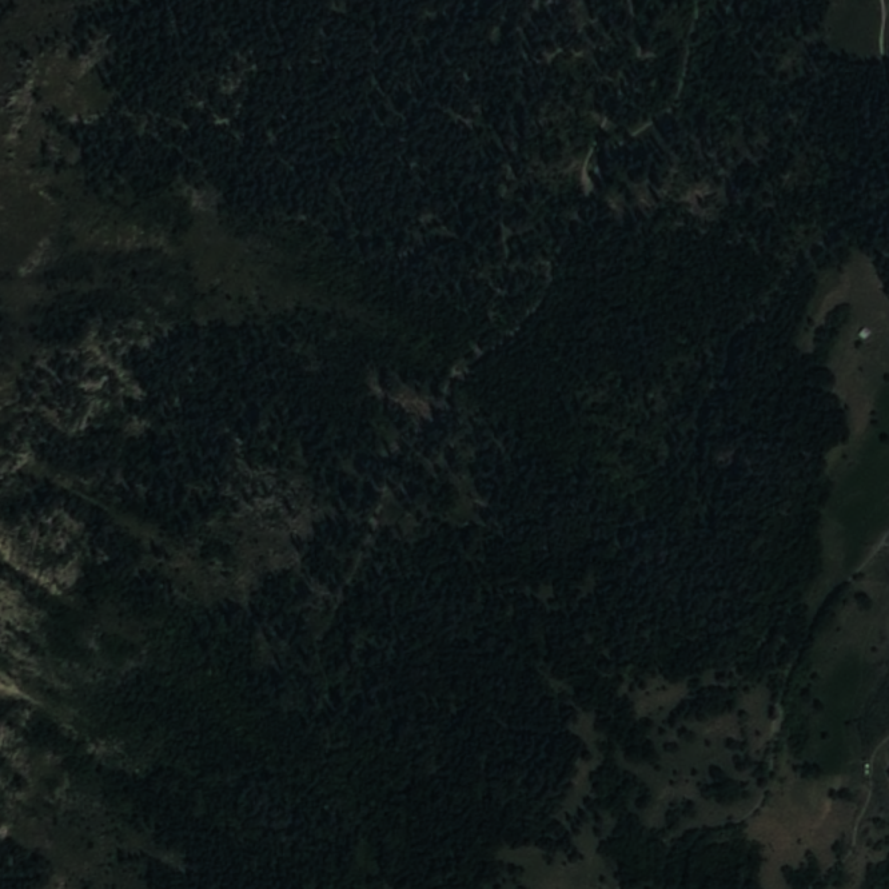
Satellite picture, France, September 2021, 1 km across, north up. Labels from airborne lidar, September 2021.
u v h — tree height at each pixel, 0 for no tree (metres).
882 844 7
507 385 12
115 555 30
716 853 11
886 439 11
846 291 0
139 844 0
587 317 25
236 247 0
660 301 16
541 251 11
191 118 29
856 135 17
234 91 6
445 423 28
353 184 26
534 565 12
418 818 18
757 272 11
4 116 0
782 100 7
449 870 19
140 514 11
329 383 10
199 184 10
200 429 26
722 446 24
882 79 16
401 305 10
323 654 8
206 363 11
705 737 0
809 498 17
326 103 29
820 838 0
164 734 6
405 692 15
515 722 18
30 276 0
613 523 12
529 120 30
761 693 0
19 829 0
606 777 12
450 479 7
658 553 25
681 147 25
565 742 16
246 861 14
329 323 11
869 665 0
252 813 21
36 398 10
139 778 11
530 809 22
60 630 6
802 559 22
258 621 23
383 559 9
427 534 11
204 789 10
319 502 11
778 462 29
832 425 15
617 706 12
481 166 26
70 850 0
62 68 0
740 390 22
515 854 0
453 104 28
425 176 25
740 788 11
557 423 14
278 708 8
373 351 10
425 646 14
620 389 10
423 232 27
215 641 10
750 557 17
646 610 21
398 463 10
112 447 8
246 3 10
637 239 13
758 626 20
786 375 14
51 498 22
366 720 27
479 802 15
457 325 16
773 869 0
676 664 12
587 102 8
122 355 11
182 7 21
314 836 11
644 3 12
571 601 19
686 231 11
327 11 18
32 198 0
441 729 17
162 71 27
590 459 15
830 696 0
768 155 26
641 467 14
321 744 8
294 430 15
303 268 7
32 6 0
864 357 0
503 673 13
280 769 10
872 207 29
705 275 19
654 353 24
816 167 9
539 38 32
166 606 13
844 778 0
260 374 18
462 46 26
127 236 0
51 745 7
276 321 8
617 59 6
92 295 7
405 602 19
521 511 20
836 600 15
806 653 13
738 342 19
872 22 0
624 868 17
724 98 16
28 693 0
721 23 9
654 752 13
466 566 12
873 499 0
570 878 0
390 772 15
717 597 24
